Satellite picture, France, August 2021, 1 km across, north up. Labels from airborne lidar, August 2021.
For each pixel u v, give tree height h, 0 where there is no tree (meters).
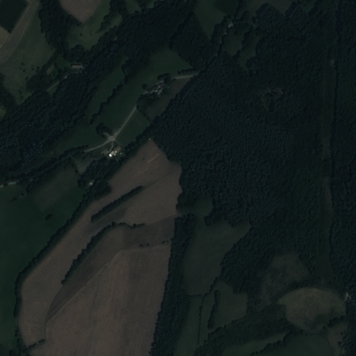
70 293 0
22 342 9
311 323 0
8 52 0
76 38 0
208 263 0
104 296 0
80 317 0
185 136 27
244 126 32
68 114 8
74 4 0
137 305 0
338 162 29
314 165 13
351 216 19
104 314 0
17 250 0
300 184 21
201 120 28
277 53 24
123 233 0
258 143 30
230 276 15
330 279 0
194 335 0
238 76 33
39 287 0
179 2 25
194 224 20
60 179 0
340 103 20
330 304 0
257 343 0
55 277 0
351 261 11
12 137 28
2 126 16
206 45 29
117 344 0
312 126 33
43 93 20
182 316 13
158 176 0
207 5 0
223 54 24
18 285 16
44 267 0
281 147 31
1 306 0
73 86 6
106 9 0
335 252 14
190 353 0
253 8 0
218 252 0
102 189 20
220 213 23
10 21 0
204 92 29
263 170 33
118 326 0
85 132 0
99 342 0
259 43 0
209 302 0
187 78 0
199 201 24
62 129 21
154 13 30
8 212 0
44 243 0
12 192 0
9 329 0
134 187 0
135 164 0
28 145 8
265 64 27
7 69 0
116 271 0
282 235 13
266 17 27
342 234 17
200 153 29
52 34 20
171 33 25
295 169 14
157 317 0
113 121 0
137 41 27
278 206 31
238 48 0
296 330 21
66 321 0
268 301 0
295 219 18
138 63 20
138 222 0
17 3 0
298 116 26
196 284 0
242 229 0
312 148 21
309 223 17
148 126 0
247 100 31
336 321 17
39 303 0
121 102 0
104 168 18
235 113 33
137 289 0
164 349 19
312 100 28
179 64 0
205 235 0
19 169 26
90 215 0
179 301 10
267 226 18
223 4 0
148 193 0
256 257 14
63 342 0
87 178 21
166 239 0
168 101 0
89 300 0
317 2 0
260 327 9
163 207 0
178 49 26
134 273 0
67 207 0
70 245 0
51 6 30
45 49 0
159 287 0
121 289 0
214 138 31
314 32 22
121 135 0
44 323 0
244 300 0
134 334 0
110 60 29
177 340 10
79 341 0
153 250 0
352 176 22
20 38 0
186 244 16
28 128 14
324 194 7
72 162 14
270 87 32
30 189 20
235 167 37
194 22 30
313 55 22
